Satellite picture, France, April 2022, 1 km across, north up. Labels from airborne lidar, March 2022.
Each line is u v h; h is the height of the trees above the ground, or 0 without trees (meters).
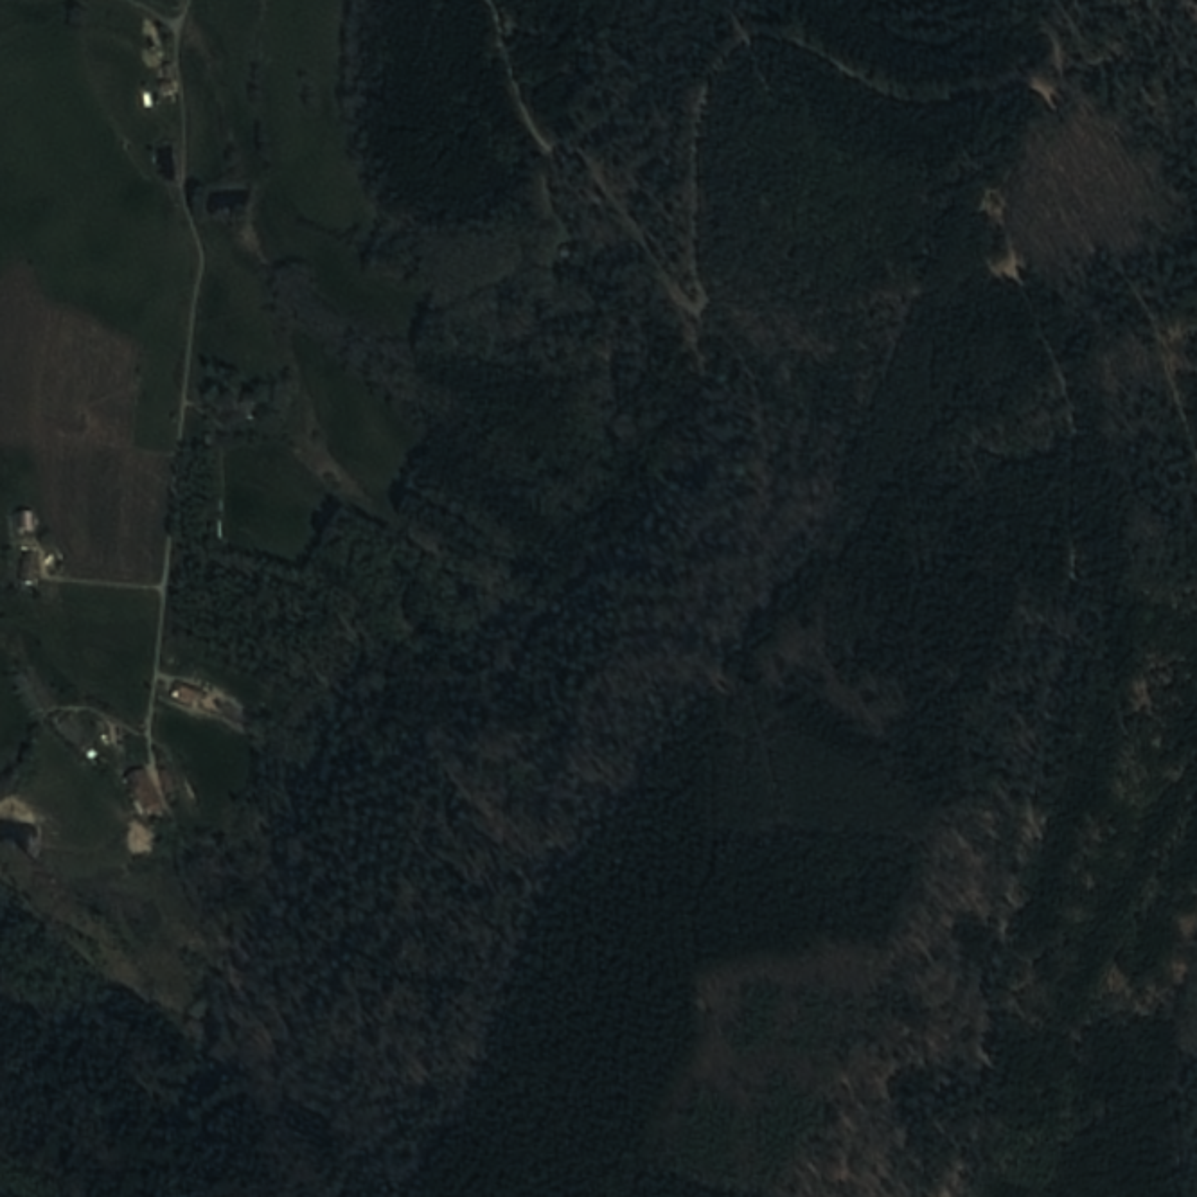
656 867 26
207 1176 28
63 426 0
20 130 0
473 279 20
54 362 0
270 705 0
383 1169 23
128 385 0
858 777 15
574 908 25
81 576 0
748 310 6
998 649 22
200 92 0
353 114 21
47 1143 25
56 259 0
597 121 27
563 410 15
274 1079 28
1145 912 16
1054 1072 13
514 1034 27
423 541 23
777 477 15
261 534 0
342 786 17
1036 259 21
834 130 11
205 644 18
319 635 16
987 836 21
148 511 0
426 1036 28
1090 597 19
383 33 14
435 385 17
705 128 6
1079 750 21
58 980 17
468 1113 21
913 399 16
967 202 16
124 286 0
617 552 7
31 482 0
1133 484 20
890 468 16
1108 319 22
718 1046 18
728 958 25
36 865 0
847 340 9
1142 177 26
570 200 20
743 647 17
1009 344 18
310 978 7
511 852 5
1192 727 13
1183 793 13
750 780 16
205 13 0
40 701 0
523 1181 20
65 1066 29
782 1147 11
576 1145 22
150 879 0
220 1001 20
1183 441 9
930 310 15
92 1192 23
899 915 20
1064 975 16
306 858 32
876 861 19
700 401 18
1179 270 34
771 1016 15
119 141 0
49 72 0
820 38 21
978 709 18
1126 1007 22
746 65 6
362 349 22
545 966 31
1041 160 22
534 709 11
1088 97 23
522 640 24
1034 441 10
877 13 20
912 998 14
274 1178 25
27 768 12
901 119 13
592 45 10
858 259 7
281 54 0
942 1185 17
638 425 14
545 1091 27
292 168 0
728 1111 11
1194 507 17
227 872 17
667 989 30
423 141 15
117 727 0
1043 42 9
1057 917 18
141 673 0
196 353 0
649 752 14
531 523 24
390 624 18
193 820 0
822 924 21
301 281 19
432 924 10
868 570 19
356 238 11
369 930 10
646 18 9
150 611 0
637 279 23
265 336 0
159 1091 32
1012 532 19
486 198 15
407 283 11
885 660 20
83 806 0
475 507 24
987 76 18
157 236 0
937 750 23
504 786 8
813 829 16
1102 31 9
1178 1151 15
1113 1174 14
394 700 9
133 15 0
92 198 0
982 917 16
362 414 0
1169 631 12
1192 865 14
